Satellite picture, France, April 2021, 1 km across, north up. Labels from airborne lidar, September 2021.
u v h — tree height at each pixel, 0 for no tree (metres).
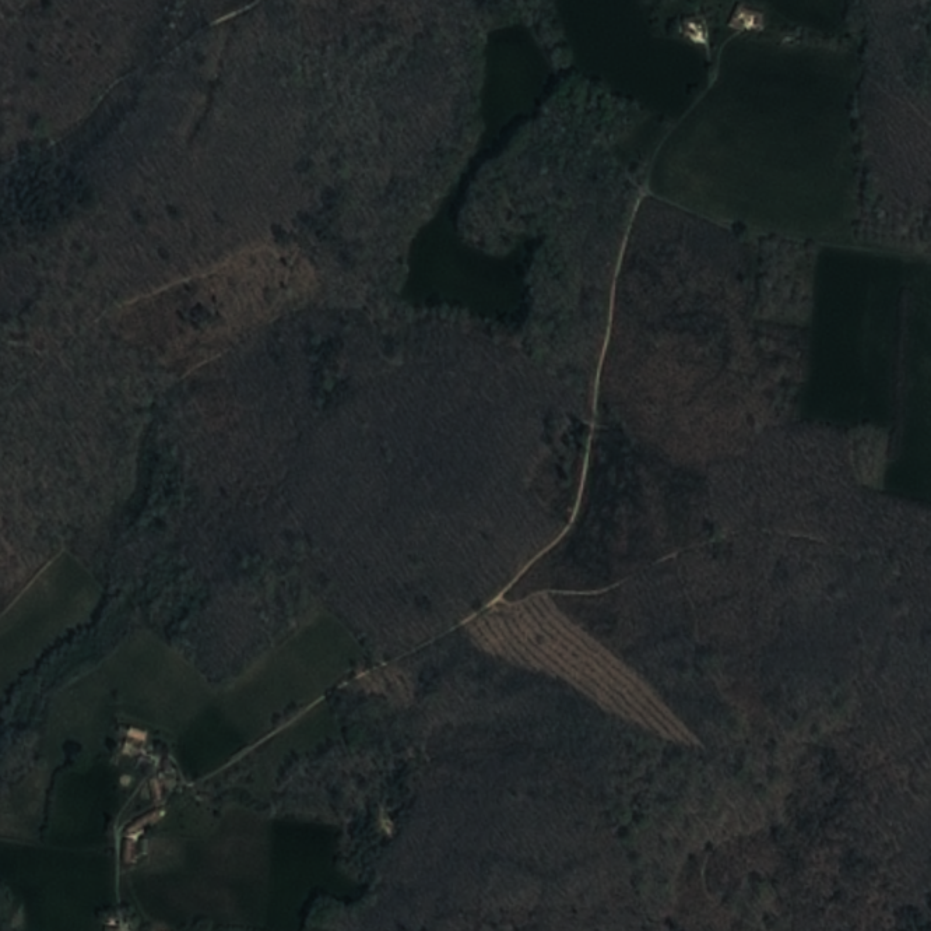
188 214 15
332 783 13
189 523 10
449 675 0
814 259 9
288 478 8
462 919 7
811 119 0
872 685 9
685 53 0
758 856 7
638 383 6
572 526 15
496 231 25
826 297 0
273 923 0
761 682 7
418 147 17
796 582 14
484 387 11
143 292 18
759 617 8
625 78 0
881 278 0
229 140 16
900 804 14
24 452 25
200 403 7
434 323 13
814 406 0
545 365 19
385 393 12
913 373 0
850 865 8
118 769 0
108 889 0
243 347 13
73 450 21
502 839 11
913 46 17
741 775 18
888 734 11
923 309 0
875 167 10
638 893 16
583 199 18
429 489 14
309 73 17
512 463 17
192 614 15
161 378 24
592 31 0
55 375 17
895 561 15
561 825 13
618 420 23
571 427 19
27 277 12
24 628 0
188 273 17
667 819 14
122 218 19
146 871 0
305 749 0
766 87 0
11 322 21
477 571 15
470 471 15
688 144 0
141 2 13
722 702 14
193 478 9
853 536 12
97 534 17
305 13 8
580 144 17
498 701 0
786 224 0
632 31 0
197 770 0
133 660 0
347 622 12
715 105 0
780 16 0
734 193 0
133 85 16
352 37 9
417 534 17
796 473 10
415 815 10
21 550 22
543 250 19
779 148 0
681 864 13
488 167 25
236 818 0
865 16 16
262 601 26
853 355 0
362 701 18
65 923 0
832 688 12
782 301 13
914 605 9
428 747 6
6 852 0
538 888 15
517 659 0
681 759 17
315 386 14
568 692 17
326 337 15
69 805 0
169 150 18
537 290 26
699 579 6
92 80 10
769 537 8
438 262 0
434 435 14
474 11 20
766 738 9
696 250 7
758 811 22
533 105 0
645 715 0
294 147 17
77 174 20
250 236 18
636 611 8
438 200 22
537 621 0
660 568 5
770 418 5
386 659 11
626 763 9
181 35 14
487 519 15
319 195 20
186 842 0
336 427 14
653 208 8
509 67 0
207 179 17
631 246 8
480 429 14
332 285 20
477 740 8
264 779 0
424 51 17
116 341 18
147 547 15
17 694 10
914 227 14
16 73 12
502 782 7
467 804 10
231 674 15
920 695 16
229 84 16
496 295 0
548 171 18
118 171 19
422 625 15
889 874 8
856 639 10
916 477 0
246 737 0
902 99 18
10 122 20
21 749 24
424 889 10
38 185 22
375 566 16
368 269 22
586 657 0
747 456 6
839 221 0
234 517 6
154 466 9
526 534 15
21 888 0
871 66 17
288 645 0
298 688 0
